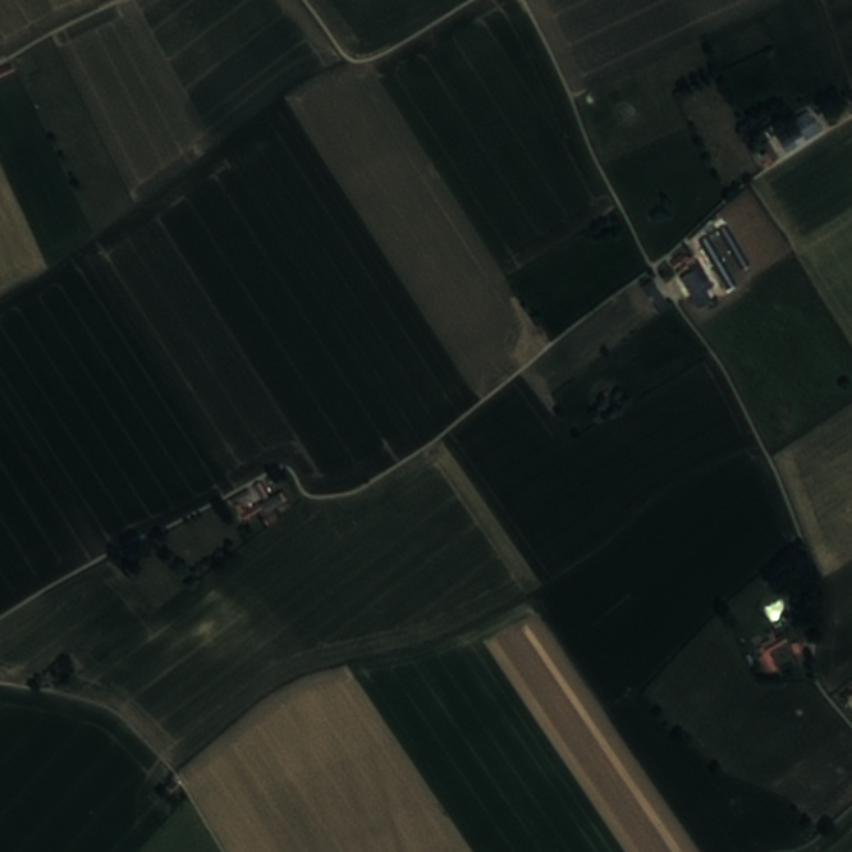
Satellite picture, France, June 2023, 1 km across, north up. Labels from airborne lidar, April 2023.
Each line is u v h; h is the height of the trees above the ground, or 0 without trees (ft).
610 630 0
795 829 0
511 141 0
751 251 0
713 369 0
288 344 0
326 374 0
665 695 0
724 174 0
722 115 0
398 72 0
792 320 0
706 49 57
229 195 0
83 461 0
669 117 0
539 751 0
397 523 0
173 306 0
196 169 0
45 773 0
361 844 0
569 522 0
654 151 0
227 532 0
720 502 0
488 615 0
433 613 0
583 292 0
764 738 0
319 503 0
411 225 0
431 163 0
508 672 0
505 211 0
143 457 0
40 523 0
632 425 0
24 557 0
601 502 0
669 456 0
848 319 0
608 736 0
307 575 0
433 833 0
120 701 0
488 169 0
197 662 0
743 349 0
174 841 0
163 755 0
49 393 0
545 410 0
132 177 0
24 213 0
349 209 0
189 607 0
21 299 0
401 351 0
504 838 0
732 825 0
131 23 0
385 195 0
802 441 0
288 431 0
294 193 0
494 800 0
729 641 0
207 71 0
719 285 0
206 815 0
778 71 0
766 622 0
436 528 0
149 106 0
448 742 0
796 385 0
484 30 0
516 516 0
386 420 0
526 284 0
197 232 0
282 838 0
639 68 0
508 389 0
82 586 0
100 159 0
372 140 0
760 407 0
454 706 0
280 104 0
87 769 0
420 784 0
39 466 0
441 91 0
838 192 0
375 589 0
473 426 0
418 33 0
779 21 0
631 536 0
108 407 0
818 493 0
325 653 0
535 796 0
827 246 0
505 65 0
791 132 0
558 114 0
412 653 0
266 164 0
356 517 0
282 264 0
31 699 0
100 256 0
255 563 0
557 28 0
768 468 0
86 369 0
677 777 0
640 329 0
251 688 0
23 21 0
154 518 0
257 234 0
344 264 0
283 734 0
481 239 0
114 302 0
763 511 0
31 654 0
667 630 0
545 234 0
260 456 0
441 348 0
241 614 0
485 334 0
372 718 0
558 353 0
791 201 0
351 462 0
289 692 0
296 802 0
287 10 0
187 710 0
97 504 0
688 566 0
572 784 0
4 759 0
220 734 0
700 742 0
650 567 0
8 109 0
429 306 0
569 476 0
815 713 0
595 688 0
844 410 0
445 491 0
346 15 0
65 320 0
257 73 0
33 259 0
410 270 0
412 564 0
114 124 0
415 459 0
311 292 0
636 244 0
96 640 0
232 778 0
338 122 0
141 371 0
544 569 0
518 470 0
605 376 0
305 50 0
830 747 0
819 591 79
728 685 0
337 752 0
